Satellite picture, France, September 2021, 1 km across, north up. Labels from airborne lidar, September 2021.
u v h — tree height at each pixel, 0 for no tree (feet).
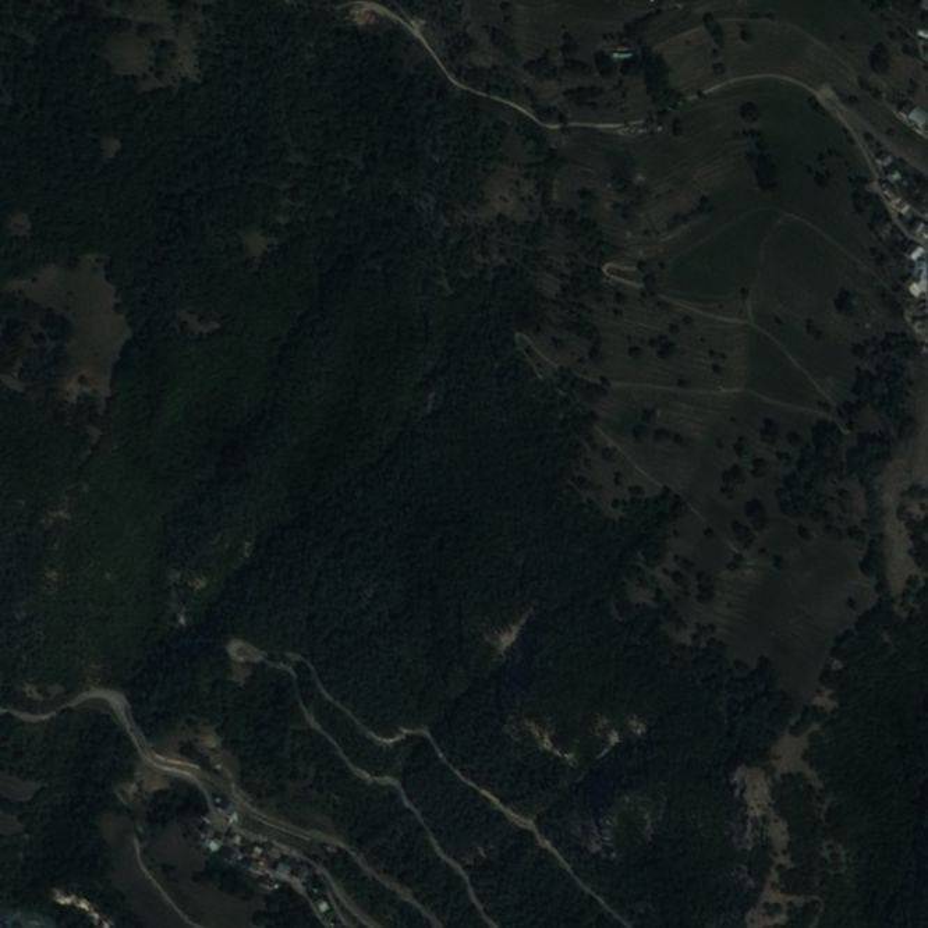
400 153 59
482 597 39
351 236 52
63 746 64
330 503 50
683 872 40
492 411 43
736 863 21
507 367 40
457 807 58
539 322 31
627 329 0
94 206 52
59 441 55
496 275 33
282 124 26
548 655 33
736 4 0
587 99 29
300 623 53
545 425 46
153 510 32
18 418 44
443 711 48
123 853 0
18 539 37
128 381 72
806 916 49
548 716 20
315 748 56
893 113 0
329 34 41
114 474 30
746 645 0
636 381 0
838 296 0
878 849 81
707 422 0
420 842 37
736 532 42
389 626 49
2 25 41
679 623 32
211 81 43
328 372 26
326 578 56
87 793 82
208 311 27
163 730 32
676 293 0
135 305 62
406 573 67
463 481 53
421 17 24
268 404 59
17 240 29
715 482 0
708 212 29
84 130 28
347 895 24
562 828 27
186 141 64
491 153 44
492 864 37
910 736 103
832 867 33
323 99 48
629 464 0
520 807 26
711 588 30
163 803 48
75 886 40
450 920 22
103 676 24
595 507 33
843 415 48
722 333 0
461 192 21
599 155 0
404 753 48
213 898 0
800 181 0
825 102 0
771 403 0
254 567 47
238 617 49
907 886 34
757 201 0
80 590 19
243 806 0
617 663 49
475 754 46
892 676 60
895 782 85
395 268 49
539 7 0
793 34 0
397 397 42
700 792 40
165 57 38
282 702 78
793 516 52
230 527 42
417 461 53
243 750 49
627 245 0
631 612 41
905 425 41
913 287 0
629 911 27
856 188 28
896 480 0
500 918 35
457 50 31
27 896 60
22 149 32
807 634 0
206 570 29
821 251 0
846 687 50
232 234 32
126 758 35
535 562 31
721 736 43
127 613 32
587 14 0
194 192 44
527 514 43
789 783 43
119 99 53
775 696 55
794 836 41
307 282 56
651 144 0
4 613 39
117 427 34
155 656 42
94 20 54
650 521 59
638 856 34
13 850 34
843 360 0
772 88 0
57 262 24
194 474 45
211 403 58
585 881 43
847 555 0
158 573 39
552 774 37
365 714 40
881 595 38
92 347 0
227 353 51
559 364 0
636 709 40
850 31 0
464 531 65
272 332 39
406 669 49
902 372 30
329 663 60
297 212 24
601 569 42
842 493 30
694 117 0
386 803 47
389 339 72
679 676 38
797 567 0
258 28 56
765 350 0
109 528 31
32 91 60
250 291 51
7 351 33
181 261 40
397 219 59
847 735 48
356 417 80
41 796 38
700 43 0
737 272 0
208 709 26
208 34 24
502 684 26
